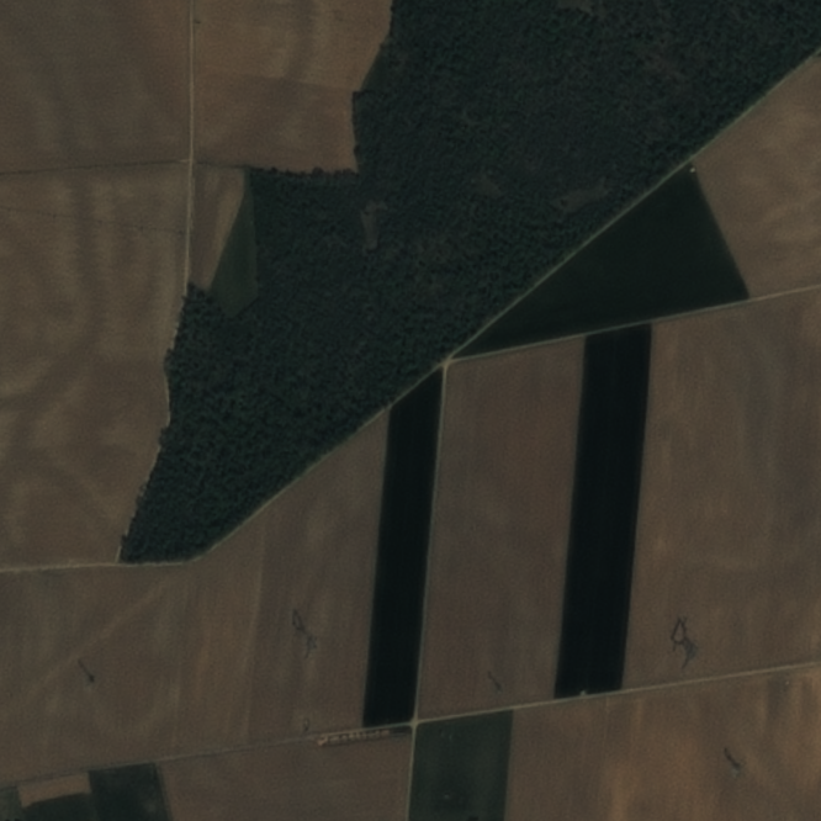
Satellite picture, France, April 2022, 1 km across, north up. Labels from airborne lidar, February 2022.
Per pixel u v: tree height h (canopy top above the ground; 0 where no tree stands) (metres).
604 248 0
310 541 0
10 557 0
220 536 16
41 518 0
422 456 0
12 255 0
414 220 8
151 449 0
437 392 0
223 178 0
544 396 0
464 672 0
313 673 0
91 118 0
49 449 0
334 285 8
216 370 13
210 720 0
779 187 0
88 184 0
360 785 0
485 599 0
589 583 0
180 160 0
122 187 0
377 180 10
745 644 0
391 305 11
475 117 14
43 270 0
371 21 0
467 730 0
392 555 0
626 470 0
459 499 0
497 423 0
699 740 0
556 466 0
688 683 0
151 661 0
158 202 0
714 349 0
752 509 0
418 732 0
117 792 0
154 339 0
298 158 0
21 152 0
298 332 11
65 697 0
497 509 0
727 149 0
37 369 0
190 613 0
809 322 0
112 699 0
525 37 8
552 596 0
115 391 0
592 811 0
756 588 0
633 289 0
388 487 0
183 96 0
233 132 0
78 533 0
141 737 0
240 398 14
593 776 0
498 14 8
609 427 0
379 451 0
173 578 0
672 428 0
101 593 0
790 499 0
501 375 0
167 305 0
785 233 0
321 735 0
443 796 0
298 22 0
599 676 0
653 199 0
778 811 0
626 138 7
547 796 0
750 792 0
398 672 0
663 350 0
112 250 0
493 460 0
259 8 0
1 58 0
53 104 0
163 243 0
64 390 0
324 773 0
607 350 0
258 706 0
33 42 0
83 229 0
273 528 0
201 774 0
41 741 0
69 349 0
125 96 0
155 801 0
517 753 0
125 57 0
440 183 8
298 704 0
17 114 0
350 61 0
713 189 0
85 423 0
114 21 0
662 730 0
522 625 0
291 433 10
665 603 0
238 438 12
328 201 6
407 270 13
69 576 0
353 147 0
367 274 10
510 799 0
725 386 0
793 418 0
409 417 0
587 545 0
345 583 0
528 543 0
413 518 0
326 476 0
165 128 0
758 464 0
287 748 0
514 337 0
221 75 0
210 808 0
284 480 11
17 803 0
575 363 0
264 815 0
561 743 0
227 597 0
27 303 0
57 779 0
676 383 0
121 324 0
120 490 0
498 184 7
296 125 0
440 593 0
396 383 12
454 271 9
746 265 0
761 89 11
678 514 0
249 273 0
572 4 0
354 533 0
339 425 15
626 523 0
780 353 0
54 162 0
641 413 0
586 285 0
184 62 0
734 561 0
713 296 0
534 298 0
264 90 0
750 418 0
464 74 10
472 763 0
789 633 0
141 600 0
